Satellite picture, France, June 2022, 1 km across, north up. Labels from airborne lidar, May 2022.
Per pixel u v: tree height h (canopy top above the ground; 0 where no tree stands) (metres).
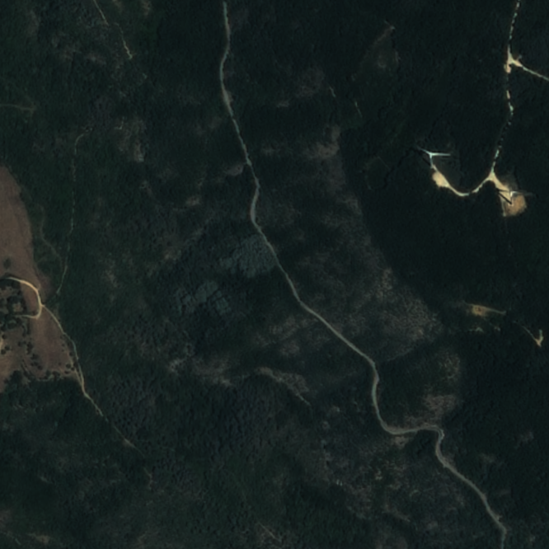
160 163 6
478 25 11
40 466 8
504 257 12
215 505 8
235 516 8
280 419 11
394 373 10
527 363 13
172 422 8
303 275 6
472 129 19
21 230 0
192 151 6
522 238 14
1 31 10
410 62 9
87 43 7
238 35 10
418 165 16
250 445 17
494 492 9
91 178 9
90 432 8
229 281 11
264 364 7
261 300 9
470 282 16
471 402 17
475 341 15
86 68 14
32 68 15
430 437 14
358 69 10
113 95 7
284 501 8
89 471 10
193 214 9
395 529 10
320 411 8
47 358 0
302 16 7
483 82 12
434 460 7
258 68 9
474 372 15
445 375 6
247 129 10
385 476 6
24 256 0
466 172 12
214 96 9
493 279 15
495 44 15
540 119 17
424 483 7
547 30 20
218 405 13
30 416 7
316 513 16
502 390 23
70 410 14
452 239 17
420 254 15
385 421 6
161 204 9
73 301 8
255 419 11
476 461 11
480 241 12
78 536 15
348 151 13
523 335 12
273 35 11
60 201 10
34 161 6
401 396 7
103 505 9
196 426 13
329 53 12
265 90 6
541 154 12
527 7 18
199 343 14
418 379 6
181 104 6
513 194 0
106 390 7
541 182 15
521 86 18
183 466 15
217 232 7
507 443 17
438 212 16
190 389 9
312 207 6
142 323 16
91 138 6
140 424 15
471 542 7
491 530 7
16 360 0
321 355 7
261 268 21
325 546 16
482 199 12
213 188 10
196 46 14
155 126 9
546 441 13
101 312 9
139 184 11
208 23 12
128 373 11
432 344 7
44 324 0
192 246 10
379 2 16
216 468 8
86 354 6
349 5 10
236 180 11
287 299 6
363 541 13
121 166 12
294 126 13
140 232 10
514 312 11
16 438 12
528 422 10
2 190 0
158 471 7
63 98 9
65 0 8
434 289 5
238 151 9
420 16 19
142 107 10
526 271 13
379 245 6
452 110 18
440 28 21
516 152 18
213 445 17
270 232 8
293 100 6
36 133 8
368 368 7
